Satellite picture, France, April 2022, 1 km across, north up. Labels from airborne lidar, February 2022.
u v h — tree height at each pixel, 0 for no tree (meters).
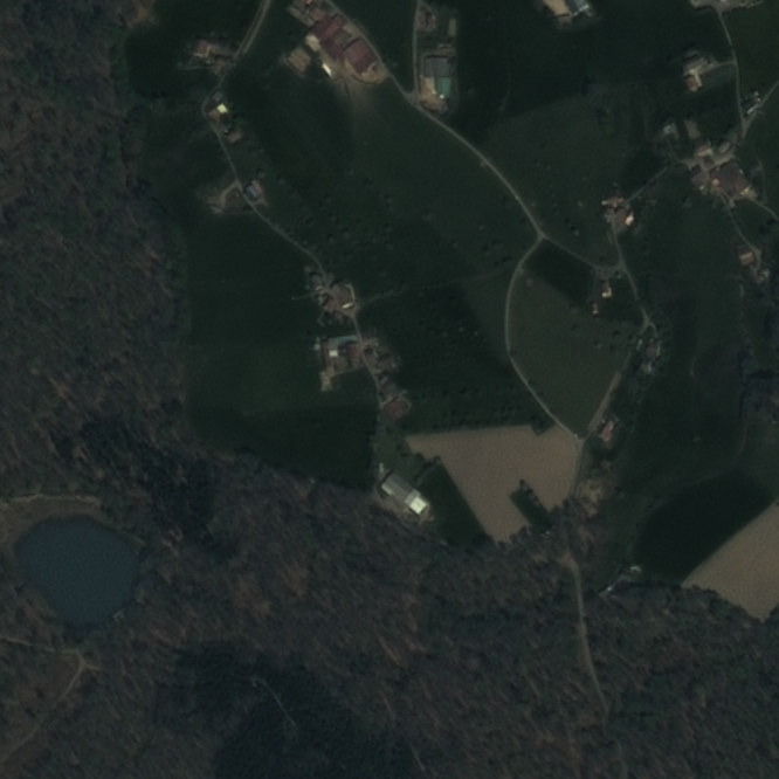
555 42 0
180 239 22
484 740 24
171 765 31
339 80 0
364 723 21
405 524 26
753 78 0
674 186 0
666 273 0
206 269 0
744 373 16
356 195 0
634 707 26
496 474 0
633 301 0
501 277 0
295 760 20
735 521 0
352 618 27
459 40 0
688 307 0
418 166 0
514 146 0
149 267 34
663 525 0
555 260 0
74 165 0
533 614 33
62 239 30
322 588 23
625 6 0
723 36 0
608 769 33
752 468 0
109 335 31
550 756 28
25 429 27
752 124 0
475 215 0
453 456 0
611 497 0
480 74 0
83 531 0
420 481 8
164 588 31
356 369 0
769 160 0
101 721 28
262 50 0
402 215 0
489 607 19
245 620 28
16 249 29
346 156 0
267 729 27
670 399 0
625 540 0
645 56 0
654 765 29
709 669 26
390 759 21
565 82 0
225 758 25
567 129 0
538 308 0
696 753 24
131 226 32
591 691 29
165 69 0
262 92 0
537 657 25
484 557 31
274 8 0
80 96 32
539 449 0
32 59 27
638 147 0
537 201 0
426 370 0
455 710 24
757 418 17
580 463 0
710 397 0
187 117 0
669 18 0
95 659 26
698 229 0
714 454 0
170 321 31
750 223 0
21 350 29
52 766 27
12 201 0
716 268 0
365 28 0
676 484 0
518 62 0
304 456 0
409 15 0
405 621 32
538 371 0
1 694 23
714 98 0
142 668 18
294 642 26
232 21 0
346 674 27
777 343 31
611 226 0
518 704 25
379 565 28
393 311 0
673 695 25
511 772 27
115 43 27
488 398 0
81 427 29
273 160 0
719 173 0
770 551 0
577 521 28
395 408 0
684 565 0
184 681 28
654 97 0
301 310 0
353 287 0
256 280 0
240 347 0
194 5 0
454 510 0
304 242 9
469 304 0
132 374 30
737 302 0
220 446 0
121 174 32
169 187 0
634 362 0
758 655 29
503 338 0
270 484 28
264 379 0
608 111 23
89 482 21
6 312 30
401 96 0
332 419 0
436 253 0
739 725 27
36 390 30
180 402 17
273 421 0
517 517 0
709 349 0
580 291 0
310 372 0
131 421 25
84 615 0
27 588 0
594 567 28
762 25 0
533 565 28
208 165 0
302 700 18
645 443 0
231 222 0
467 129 0
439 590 30
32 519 0
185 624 29
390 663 32
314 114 0
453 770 22
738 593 0
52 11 28
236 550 26
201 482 31
